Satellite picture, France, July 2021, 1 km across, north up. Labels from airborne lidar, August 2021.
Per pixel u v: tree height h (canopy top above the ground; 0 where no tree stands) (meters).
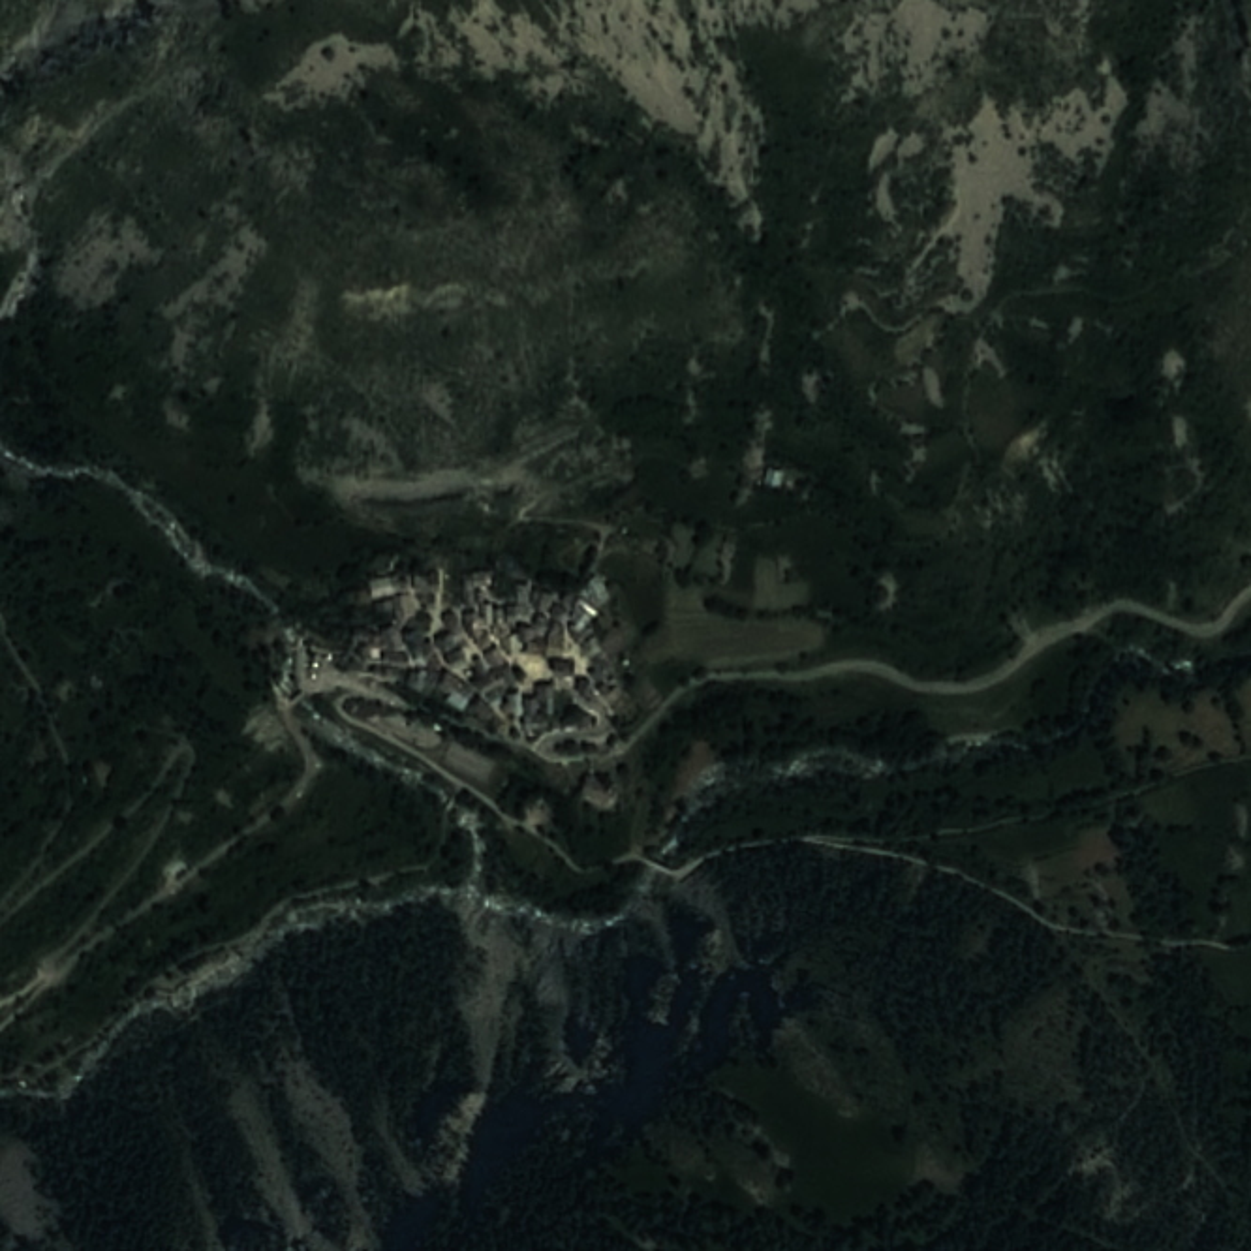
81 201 0
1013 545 6
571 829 11
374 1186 7
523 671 11
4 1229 10
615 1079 6
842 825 10
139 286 0
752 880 6
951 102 0
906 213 6
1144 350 8
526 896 8
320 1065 7
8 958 9
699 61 7
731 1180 0
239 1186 6
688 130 0
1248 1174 17
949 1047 10
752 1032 16
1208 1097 11
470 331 0
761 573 0
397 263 0
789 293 6
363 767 15
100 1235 20
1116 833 12
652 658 0
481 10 0
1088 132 0
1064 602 12
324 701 9
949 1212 19
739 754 15
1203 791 0
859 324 0
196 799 6
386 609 6
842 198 8
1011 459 0
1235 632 9
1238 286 0
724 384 7
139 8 0
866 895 19
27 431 7
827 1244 14
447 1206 26
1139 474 8
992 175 0
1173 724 0
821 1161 0
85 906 10
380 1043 8
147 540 0
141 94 0
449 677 0
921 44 0
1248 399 0
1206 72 6
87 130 0
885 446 8
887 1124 0
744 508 0
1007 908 11
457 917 7
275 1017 10
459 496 0
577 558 0
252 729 0
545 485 0
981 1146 21
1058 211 0
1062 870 0
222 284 7
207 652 0
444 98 0
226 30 0
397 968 18
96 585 7
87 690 7
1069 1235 13
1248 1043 13
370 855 8
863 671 0
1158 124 0
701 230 6
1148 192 6
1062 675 0
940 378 0
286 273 0
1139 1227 12
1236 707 12
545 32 0
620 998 6
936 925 18
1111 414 11
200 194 0
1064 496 7
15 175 0
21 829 10
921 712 12
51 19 0
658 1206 13
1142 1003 7
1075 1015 8
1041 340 0
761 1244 26
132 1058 8
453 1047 6
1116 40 8
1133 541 14
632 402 10
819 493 7
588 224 0
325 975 11
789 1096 0
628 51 0
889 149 0
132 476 9
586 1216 24
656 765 7
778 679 0
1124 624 15
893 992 15
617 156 0
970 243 0
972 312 0
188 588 7
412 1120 8
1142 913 11
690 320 0
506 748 11
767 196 6
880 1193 0
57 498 8
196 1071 6
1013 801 8
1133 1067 8
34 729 9
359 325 0
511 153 0
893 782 8
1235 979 0
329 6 0
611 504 10
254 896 0
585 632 0
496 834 7
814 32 0
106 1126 15
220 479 0
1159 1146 8
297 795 0
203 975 0
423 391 0
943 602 6
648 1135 15
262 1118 0
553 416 8
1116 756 12
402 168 0
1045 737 13
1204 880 0
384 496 0
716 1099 23
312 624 6
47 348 14
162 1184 21
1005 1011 14
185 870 7
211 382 0
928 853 19
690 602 0
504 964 0
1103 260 6
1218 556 7
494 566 6
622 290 13
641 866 13
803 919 9
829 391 7
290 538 0
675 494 0
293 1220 0
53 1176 12
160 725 0
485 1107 0
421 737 0
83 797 12
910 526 0
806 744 13
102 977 10
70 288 0
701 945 5
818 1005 8
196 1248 10
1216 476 7
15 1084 9
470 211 0
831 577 0
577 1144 16
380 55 0
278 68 0
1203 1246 13
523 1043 9
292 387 0
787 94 0
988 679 0
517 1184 22
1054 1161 12
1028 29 0
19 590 6
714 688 12
